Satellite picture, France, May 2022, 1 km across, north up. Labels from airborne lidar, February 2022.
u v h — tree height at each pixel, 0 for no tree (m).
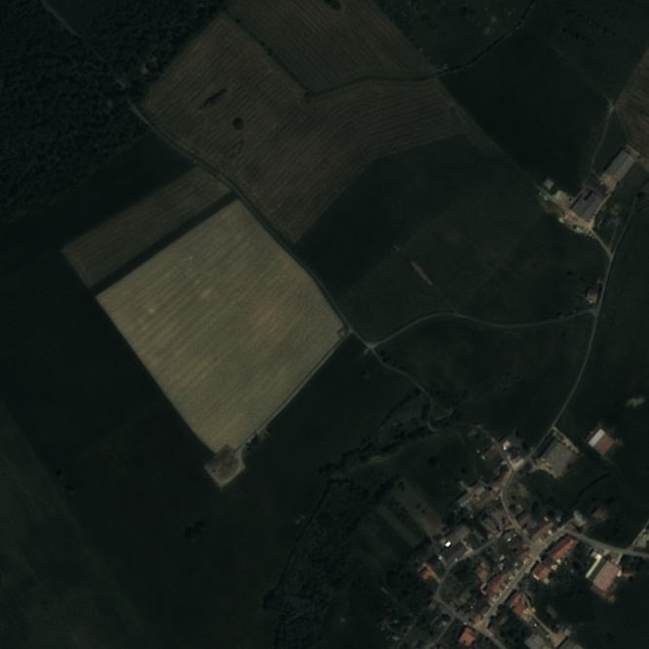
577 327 0
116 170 0
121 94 24
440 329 0
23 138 26
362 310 0
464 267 0
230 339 0
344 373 0
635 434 0
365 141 0
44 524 0
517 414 0
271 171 0
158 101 0
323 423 0
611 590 0
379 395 0
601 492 0
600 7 0
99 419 0
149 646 0
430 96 0
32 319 0
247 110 0
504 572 0
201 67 0
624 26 0
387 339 0
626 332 0
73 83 28
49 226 0
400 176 0
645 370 0
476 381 0
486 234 0
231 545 0
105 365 0
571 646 0
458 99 0
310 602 22
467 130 0
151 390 0
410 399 12
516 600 0
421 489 0
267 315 0
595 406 0
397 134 0
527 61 0
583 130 0
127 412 0
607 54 0
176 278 0
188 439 0
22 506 0
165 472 0
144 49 30
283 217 0
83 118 10
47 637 0
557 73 0
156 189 0
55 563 0
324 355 0
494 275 0
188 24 24
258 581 0
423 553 16
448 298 0
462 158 0
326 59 0
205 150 0
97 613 0
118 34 16
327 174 0
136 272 0
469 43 0
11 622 0
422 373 0
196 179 0
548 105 0
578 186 0
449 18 0
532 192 0
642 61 0
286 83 0
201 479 0
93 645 0
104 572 0
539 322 0
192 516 0
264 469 0
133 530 0
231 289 0
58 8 9
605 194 0
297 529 0
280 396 0
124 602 0
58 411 0
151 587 0
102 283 0
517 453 0
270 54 7
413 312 0
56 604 0
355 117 0
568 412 0
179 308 0
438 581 0
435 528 0
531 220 0
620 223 0
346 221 0
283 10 0
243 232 0
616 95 0
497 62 0
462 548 0
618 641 0
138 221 0
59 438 0
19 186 24
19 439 0
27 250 0
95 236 0
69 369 0
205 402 0
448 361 0
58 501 0
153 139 0
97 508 0
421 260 0
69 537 0
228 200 0
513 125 0
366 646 0
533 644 0
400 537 0
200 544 0
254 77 0
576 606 0
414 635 0
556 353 0
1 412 0
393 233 0
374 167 0
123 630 0
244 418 0
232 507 0
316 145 0
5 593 0
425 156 0
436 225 0
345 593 0
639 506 0
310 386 0
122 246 0
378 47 0
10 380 0
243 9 0
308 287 0
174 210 0
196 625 0
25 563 0
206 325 0
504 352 0
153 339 0
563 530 0
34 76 28
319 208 0
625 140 0
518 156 0
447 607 0
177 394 0
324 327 0
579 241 0
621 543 0
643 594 0
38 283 0
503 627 6
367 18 0
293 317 0
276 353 0
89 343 0
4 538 0
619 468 0
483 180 0
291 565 6
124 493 0
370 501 11
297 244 0
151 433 0
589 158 0
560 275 0
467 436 0
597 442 0
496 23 0
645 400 0
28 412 0
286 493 0
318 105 0
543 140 0
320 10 0
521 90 0
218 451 0
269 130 0
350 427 0
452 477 0
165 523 0
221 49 0
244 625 0
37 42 15
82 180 15
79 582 0
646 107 0
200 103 0
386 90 0
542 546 0
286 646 15
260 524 0
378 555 0
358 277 0
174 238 0
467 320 0
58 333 0
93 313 0
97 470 0
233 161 0
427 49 0
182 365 0
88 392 0
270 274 0
